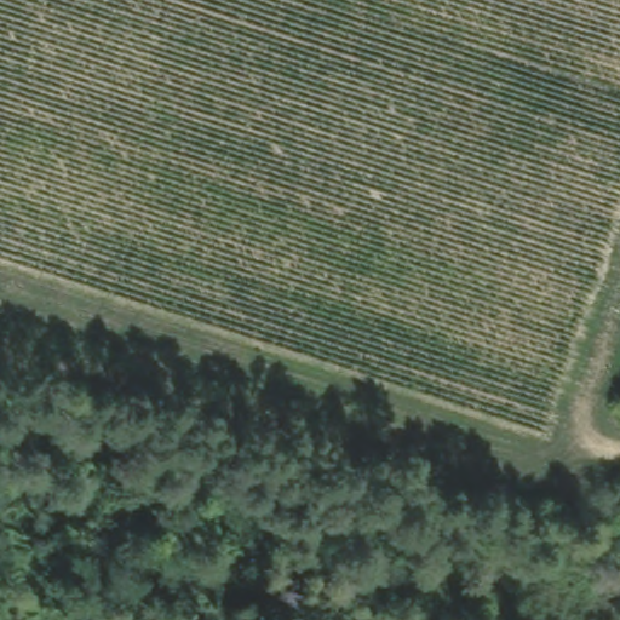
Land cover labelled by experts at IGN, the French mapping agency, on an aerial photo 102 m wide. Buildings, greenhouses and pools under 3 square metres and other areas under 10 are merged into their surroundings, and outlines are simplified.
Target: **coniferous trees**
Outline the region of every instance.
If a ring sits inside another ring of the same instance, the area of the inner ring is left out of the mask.
[[[111,484],[155,487],[155,501],[131,511],[104,513],[92,504],[92,499],[99,487],[109,489]],[[225,516],[203,518],[201,509],[213,499],[247,504],[259,528],[235,530]],[[170,559],[162,559],[155,569],[145,572],[126,562],[145,543],[160,543],[165,535],[177,538],[177,547],[172,550]],[[325,615],[325,608],[349,605],[351,598],[363,608],[356,613],[356,620],[620,620],[620,484],[613,492],[596,494],[591,501],[581,499],[581,492],[576,489],[572,494],[564,494],[562,499],[557,496],[555,501],[545,501],[538,513],[530,516],[530,511],[516,496],[496,489],[484,477],[458,472],[443,475],[429,470],[404,441],[361,441],[354,450],[332,453],[308,436],[291,434],[283,429],[264,429],[257,417],[213,407],[201,400],[150,392],[133,383],[116,383],[94,392],[65,373],[22,373],[7,368],[0,361],[0,620],[29,620],[29,610],[34,610],[46,598],[46,589],[51,584],[61,584],[65,591],[78,589],[78,593],[85,601],[99,601],[109,620],[320,620]]]

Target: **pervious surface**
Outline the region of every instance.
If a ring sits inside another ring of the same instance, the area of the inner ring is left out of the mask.
[[[586,448],[593,458],[620,458],[620,441],[605,438],[596,431],[591,412],[593,404],[589,400],[576,400],[572,407],[574,438],[581,443],[581,448]]]

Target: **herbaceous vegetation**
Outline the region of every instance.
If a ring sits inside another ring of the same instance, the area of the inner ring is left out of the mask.
[[[538,513],[545,501],[555,501],[557,496],[562,499],[564,494],[572,494],[576,489],[581,492],[581,499],[591,501],[596,494],[613,492],[620,484],[620,458],[593,458],[586,448],[581,448],[581,443],[574,438],[572,407],[576,400],[589,400],[593,404],[591,412],[596,431],[605,438],[620,441],[620,402],[608,402],[605,390],[613,378],[610,356],[620,325],[620,235],[610,254],[605,286],[593,303],[593,315],[589,317],[586,337],[569,337],[564,368],[547,395],[547,412],[557,412],[557,421],[543,421],[547,429],[552,429],[550,441],[518,436],[467,417],[443,412],[412,397],[390,395],[375,383],[337,378],[334,373],[327,373],[322,368],[281,361],[276,356],[262,354],[259,349],[235,344],[216,334],[203,334],[189,327],[172,329],[167,322],[157,317],[124,310],[107,300],[90,298],[82,293],[70,293],[56,283],[36,281],[27,274],[0,266],[0,361],[7,368],[22,373],[65,373],[94,392],[116,383],[133,383],[150,392],[201,400],[213,407],[257,417],[264,429],[283,429],[291,434],[308,436],[332,453],[354,450],[361,441],[404,441],[429,470],[443,475],[458,472],[484,477],[496,489],[516,496],[530,511],[530,516]]]

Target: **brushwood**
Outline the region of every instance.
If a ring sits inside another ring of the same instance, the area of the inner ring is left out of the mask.
[[[608,402],[620,402],[620,325],[610,356],[613,378],[605,390]]]

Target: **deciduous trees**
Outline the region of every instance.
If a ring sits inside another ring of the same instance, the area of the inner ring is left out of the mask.
[[[131,511],[155,501],[155,487],[111,484],[109,489],[99,487],[92,499],[92,504],[104,513]]]
[[[177,538],[165,535],[160,543],[145,543],[126,562],[145,572],[155,569],[162,559],[170,559],[172,550],[177,547]]]
[[[259,528],[247,504],[213,499],[201,509],[203,518],[225,516],[235,530]]]
[[[325,615],[320,620],[356,620],[356,613],[363,608],[351,598],[349,605],[325,608]]]
[[[34,610],[29,610],[29,620],[109,620],[99,601],[85,601],[78,593],[78,589],[65,591],[61,584],[51,584],[46,589],[46,598]]]

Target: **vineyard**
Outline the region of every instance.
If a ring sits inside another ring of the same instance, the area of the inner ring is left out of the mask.
[[[547,395],[564,368],[569,337],[586,337],[589,317],[593,315],[593,303],[605,286],[610,254],[620,235],[620,0],[0,0],[0,266],[27,274],[36,281],[56,283],[70,293],[82,293],[90,298],[107,300],[124,310],[157,317],[167,322],[172,329],[189,327],[203,334],[216,334],[235,344],[259,349],[262,354],[276,356],[281,361],[322,368],[327,373],[334,373],[337,378],[375,383],[390,395],[412,397],[443,412],[467,417],[518,436],[550,441],[552,429],[547,429],[543,421],[557,421],[557,412],[547,412]]]

